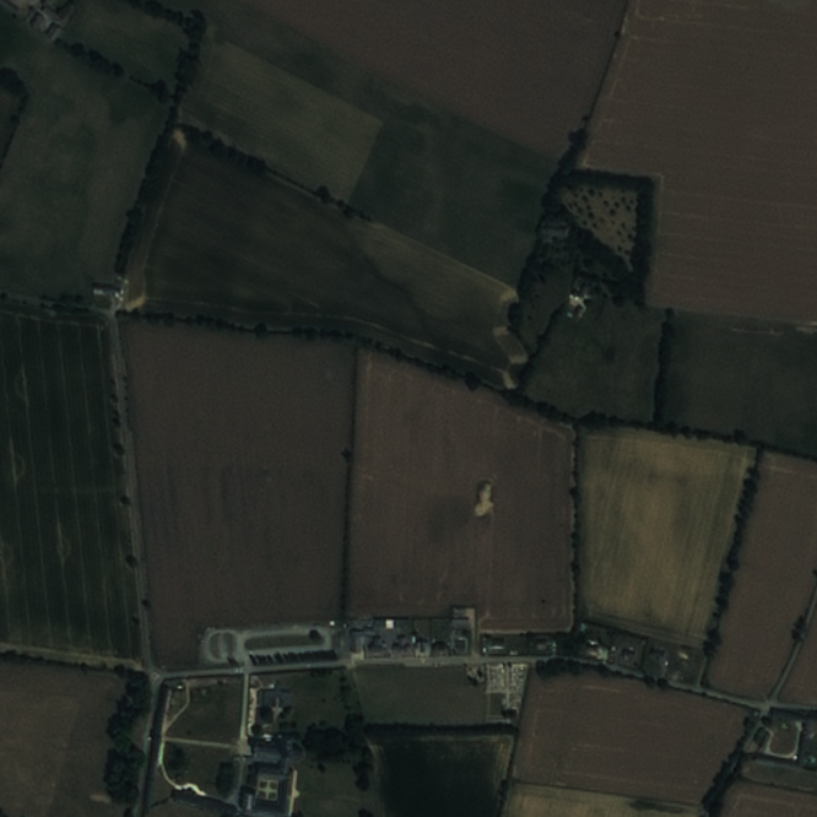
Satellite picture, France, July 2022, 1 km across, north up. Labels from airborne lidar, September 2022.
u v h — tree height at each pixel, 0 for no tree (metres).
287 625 0
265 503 0
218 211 0
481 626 0
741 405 0
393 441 0
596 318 0
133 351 0
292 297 0
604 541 0
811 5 0
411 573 0
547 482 0
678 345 0
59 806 0
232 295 0
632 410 0
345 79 0
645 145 0
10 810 0
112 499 0
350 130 0
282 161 0
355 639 0
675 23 0
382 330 0
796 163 0
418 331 0
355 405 0
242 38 0
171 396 0
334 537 0
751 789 0
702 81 0
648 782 0
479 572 0
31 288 0
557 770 0
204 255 0
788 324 0
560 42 0
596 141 0
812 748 0
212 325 12
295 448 0
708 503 0
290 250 0
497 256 0
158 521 0
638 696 0
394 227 0
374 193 0
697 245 0
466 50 0
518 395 14
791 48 0
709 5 0
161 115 0
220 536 0
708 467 0
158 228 0
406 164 0
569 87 0
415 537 0
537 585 0
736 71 0
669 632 0
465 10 0
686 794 0
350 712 9
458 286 0
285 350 0
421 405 0
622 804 0
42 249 0
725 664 0
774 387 0
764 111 0
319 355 0
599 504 0
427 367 9
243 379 0
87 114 0
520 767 0
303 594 0
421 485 0
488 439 0
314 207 0
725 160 0
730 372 0
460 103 0
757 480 12
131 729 20
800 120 0
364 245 0
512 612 0
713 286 0
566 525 0
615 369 0
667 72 0
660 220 0
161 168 10
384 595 0
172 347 0
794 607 0
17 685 0
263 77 0
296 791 0
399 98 0
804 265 0
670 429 12
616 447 0
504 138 0
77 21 0
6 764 0
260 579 0
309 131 0
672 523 0
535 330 0
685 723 0
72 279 0
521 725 0
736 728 0
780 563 0
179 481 0
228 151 7
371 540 0
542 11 0
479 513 0
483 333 0
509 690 0
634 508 0
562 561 0
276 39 0
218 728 0
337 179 0
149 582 0
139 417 0
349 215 15
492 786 0
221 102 0
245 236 0
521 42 0
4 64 0
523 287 14
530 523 0
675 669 0
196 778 0
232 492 0
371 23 0
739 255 0
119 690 0
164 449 0
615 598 0
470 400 0
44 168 0
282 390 0
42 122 0
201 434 0
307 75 0
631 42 0
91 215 0
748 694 0
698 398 0
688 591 0
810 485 0
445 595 0
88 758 0
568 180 14
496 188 0
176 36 0
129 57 0
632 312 0
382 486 0
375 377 0
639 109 0
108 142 0
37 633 0
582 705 0
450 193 0
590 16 0
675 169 0
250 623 0
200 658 0
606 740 0
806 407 0
